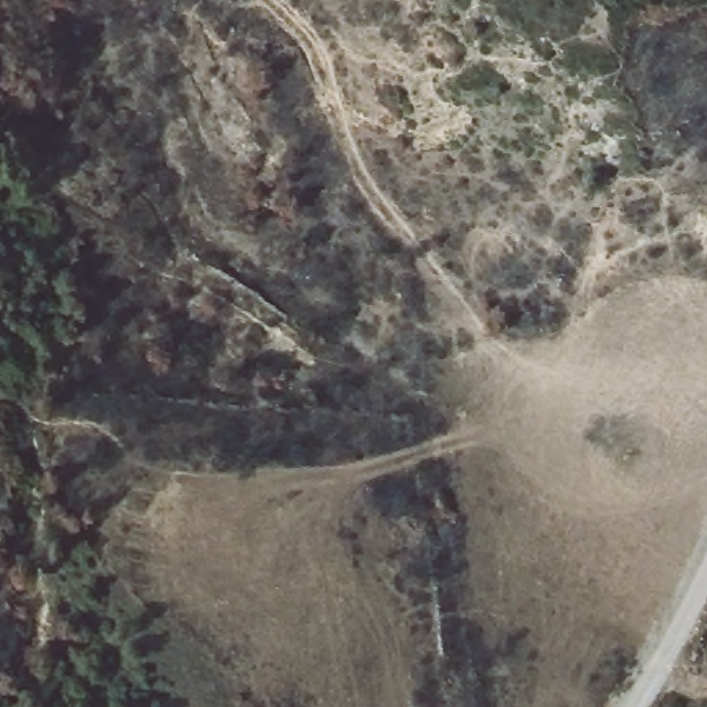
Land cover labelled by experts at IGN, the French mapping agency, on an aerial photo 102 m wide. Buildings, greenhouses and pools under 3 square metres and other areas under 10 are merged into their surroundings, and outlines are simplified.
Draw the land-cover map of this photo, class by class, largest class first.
<instances>
[{"label":"bare soil","instance_id":"1","mask_svg":"<svg viewBox=\"0 0 707 707\"><path fill-rule=\"evenodd\" d=\"M304 17L312 19L318 36L326 41L334 58L337 86L345 105L365 116L381 105L376 88L403 86L409 91V102L414 105V110L403 113L400 119L389 110L381 116L378 124L354 127V138L365 160L370 163L381 191L392 196L406 221H411L414 226V238L420 243L406 246L400 238H395L370 213L367 202L356 191V182L348 171V157L342 152L337 110H320L315 99V94L326 86V69L320 66V61H307L298 41L273 19L262 17L260 8L251 6V0H0V160L8 166L11 180L25 182L30 199L36 196L39 202H47L52 207V235L64 246L72 238L80 240L77 262L69 273L72 298L83 309V320L77 323L80 345H61L47 356V414H33L28 425L30 445L41 464V475H52L55 481V492L47 494V505H58L66 516L75 519L77 527V533H69L61 525H50L47 533L58 544V552L66 558L75 547L86 544L88 566H97L102 555V536H119L122 522H133L127 547L149 552V594L157 602L144 605L141 616L127 621L122 635L133 643V652L141 660L146 690L168 693L180 707H613L610 696L632 688V668L660 646L666 624L671 621L679 599L685 597L707 552V3L652 6L646 11L630 14L619 88L624 94V102H630L635 110V127L641 130V168L646 174L616 177L599 193L574 188V196L566 199L563 193H552L555 180L544 174V166L525 163L522 152H514L511 166L500 174L494 168V155L481 160L467 152L461 155V166H453V157H439L436 144L450 141L467 130L469 110L445 102L436 94L439 86L458 77L453 69V52L447 44H442L439 36L447 19H428L423 25L414 17L420 8L414 0H290ZM22 461L17 456H6V447L0 442V508L11 505V489L17 486ZM55 597L47 583V574H36L33 580L25 577L22 566H11L8 583L0 577V677L11 671V655L19 652L25 657L36 641L47 646V641H77V632L69 630L66 621H61L52 613Z\"/></svg>","mask_w":707,"mask_h":707},{"label":"brushwood","instance_id":"2","mask_svg":"<svg viewBox=\"0 0 707 707\"><path fill-rule=\"evenodd\" d=\"M80 240L72 238L64 246L52 235V207L47 202H39L36 196L30 199L25 182L11 180L8 166L0 160V442L6 447V456H17L22 461L17 486L11 489V505L0 508V577L8 583L11 566H22L25 577L33 580L36 574H47V583L55 597L52 613L61 621H66L69 630L77 632V641H47V646L36 641L25 657L19 652L11 655V671L0 677V707H180L168 693L146 690L141 660L133 652V643L122 635L127 621L141 616L144 605L157 602L149 594V552L127 547L133 522H122L119 536H102V555L97 566H88L86 544L75 547L66 558L58 552V544L47 533L50 525H61L69 533H77V527L75 519L66 516L58 505H47V494L55 492V481L52 475H41V464L30 445L28 425L33 414H47V356L61 345H80L77 323L83 320V309L72 298L69 273L77 262Z\"/></svg>","mask_w":707,"mask_h":707},{"label":"herbaceous vegetation","instance_id":"3","mask_svg":"<svg viewBox=\"0 0 707 707\"><path fill-rule=\"evenodd\" d=\"M420 8L414 17L423 25L428 19H447L439 36L442 44H447L453 52V69L458 77L439 86L436 94L445 102L469 110L467 130L450 141L436 144L439 157H453V166H461V155L467 152L481 160L494 155V168L500 174L511 166L514 152H522L525 163L544 166V174L555 180L552 193H563L566 199L574 196V188L599 193L616 177L646 174L641 168V130L635 127V110L630 102H624V94L619 88L630 14L646 11L652 6L707 3V0H414ZM381 105L389 110L400 119L403 113L414 110V105L409 102V91L403 86L376 88ZM679 657L688 666H696L699 677H707V605L699 619V630L679 652Z\"/></svg>","mask_w":707,"mask_h":707},{"label":"pervious surface","instance_id":"4","mask_svg":"<svg viewBox=\"0 0 707 707\"><path fill-rule=\"evenodd\" d=\"M251 6L260 8L262 17L273 19L298 41L307 61H320V66L326 69V86L315 94V99L320 110H337L342 152L348 157V171L356 182V191L367 202L370 213L395 238H400L406 246L420 243L414 238V226L411 221H406L392 196L381 191L370 163L365 160L354 138V127L378 124L381 116L389 110L381 105L365 116L345 105L337 86L334 58L326 41L318 36L312 19L304 17L290 0H251ZM707 605V552L685 597L679 599L671 621L666 624L660 646L632 668V688L610 696L613 707H707V677H699L696 666H688L679 657V652L699 630V619Z\"/></svg>","mask_w":707,"mask_h":707}]
</instances>
